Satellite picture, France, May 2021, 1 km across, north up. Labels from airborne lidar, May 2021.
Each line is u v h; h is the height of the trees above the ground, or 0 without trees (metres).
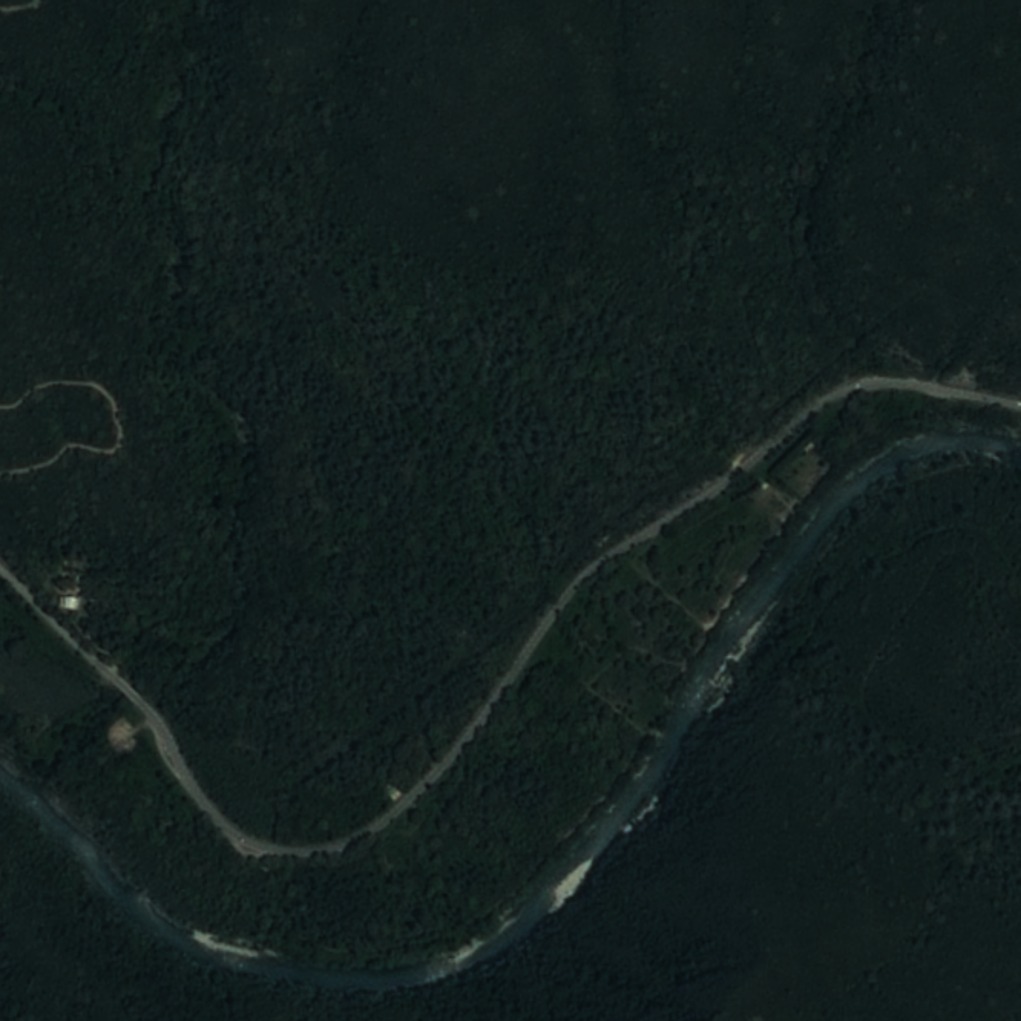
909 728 9
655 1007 13
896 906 9
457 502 14
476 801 12
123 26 15
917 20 6
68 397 7
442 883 12
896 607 6
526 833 9
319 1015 14
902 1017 8
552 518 14
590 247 8
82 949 18
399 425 13
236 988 18
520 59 6
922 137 6
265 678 12
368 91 9
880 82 10
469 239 6
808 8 6
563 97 7
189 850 10
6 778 0
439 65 8
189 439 19
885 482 17
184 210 16
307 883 6
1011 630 9
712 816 9
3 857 11
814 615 6
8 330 9
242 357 11
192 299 12
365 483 13
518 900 9
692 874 5
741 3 7
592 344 16
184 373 25
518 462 21
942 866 8
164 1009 13
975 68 7
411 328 7
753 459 0
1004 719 8
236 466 12
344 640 21
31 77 15
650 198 10
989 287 11
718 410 17
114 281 7
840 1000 11
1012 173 6
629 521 16
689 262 8
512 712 16
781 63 7
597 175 7
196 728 14
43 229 8
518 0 5
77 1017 17
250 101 7
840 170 9
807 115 8
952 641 7
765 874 6
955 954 7
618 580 13
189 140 10
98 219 10
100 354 8
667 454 6
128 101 9
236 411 16
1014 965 9
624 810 0
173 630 15
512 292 17
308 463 15
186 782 0
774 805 7
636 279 8
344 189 7
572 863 0
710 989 8
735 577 0
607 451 13
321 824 13
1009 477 12
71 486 6
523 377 12
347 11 5
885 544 7
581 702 8
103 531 8
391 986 0
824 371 6
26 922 9
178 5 12
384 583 10
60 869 14
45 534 11
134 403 8
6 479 11
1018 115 7
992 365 15
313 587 13
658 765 0
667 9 7
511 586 21
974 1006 7
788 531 14
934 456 6
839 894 9
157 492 8
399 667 16
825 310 19
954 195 5
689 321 18
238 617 19
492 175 5
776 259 11
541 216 7
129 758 13
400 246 12
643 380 15
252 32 6
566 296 13
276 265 8
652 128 17
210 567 6
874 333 11
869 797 8
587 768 14
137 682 14
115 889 0
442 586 6
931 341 6
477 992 18
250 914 10
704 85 5
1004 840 22
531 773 18
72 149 10
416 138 6
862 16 16
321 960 6
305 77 8
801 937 6
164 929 0
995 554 7
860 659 7
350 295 23
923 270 5
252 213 7
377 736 13
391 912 10
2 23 8
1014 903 9
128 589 16
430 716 10
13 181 10
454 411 10
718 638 16
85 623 12
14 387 6
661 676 10
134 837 6
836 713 11
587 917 8
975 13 6
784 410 12
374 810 8
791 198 15
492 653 12
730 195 9
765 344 8
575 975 7
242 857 8
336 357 16
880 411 7
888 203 7
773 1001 7
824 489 14
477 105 5
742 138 8
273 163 11
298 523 14
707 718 12
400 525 13
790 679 10
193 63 10
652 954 11
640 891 6
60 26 10
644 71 7
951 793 19
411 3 5
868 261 6
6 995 9
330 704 15
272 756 15
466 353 12
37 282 9
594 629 12
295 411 15
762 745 7
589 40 6
